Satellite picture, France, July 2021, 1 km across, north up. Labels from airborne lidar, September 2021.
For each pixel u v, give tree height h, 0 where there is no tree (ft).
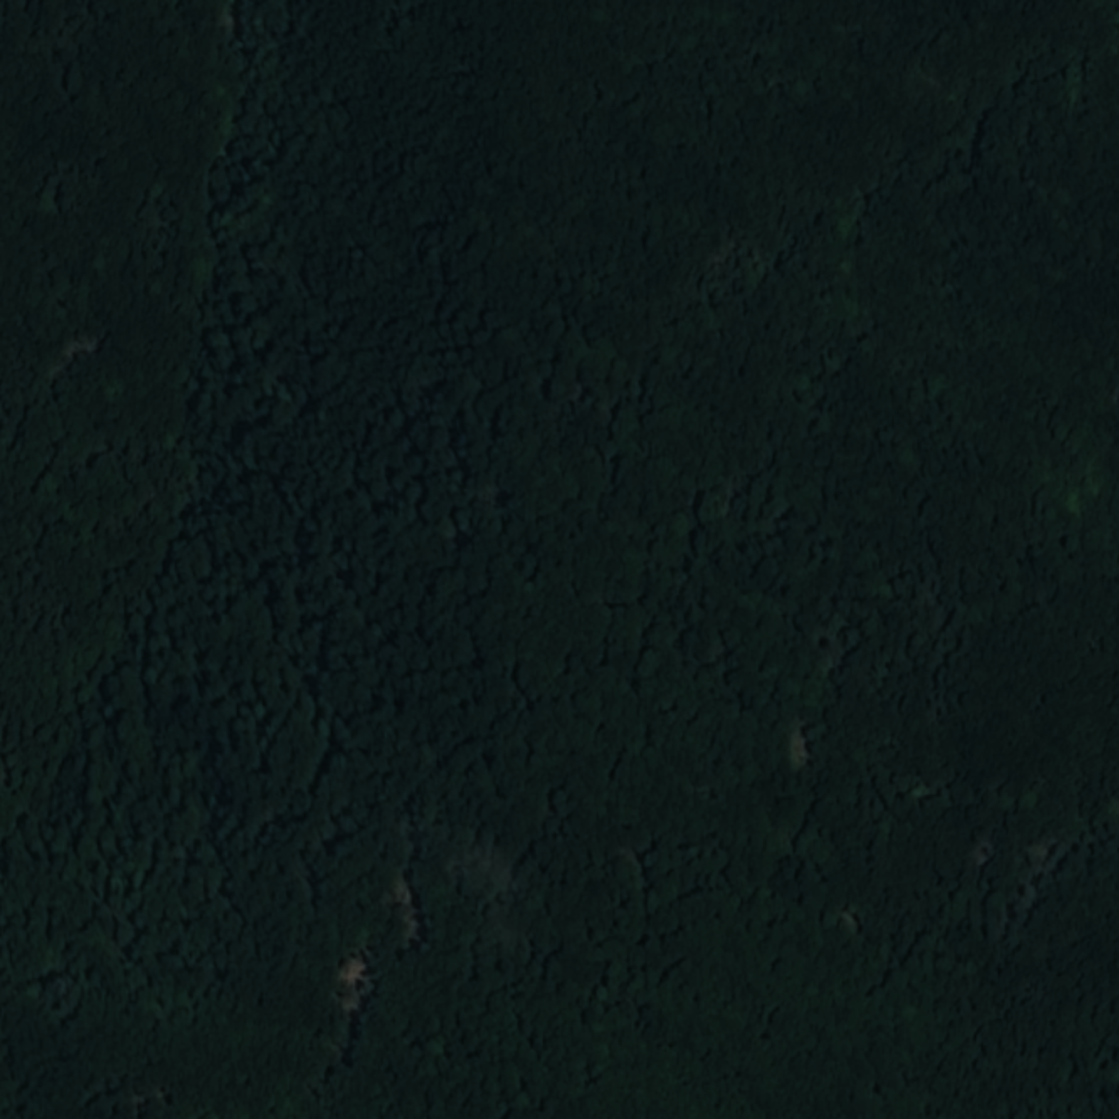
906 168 91
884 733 81
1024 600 62
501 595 95
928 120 90
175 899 112
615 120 103
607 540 109
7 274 85
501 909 72
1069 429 83
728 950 109
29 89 101
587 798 118
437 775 96
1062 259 58
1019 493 74
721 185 87
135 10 92
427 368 84
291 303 86
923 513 80
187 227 115
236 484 73
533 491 123
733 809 113
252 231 92
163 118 90
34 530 84
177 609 97
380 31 84
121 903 101
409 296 85
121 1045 67
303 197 107
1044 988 102
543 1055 84
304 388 79
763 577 101
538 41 85
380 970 130
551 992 96
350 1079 122
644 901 99
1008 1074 94
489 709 94
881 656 85
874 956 103
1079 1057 94
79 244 85
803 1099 108
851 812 95
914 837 83
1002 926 41
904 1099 95
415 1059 105
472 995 80
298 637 115
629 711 127
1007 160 85
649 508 76
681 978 108
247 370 89
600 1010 90
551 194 101
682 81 70
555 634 128
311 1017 109
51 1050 73
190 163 100
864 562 102
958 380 80
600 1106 92
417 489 107
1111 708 48
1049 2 56
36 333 85
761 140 78
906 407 72
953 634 71
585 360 107
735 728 115
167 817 96
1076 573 96
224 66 88
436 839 88
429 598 80
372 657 87
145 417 94
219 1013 82
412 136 77
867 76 67
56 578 118
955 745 83
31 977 95
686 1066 75
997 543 91
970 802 41
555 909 85
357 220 75
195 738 55
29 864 108
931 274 92
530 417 92
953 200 109
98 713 67
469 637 92
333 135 82
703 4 85
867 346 97
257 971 84
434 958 84
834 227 93
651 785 122
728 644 77
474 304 102
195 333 83
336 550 30
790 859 24
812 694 75
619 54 82
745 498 86
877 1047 98
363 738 122
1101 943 76
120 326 92
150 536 59
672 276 77
